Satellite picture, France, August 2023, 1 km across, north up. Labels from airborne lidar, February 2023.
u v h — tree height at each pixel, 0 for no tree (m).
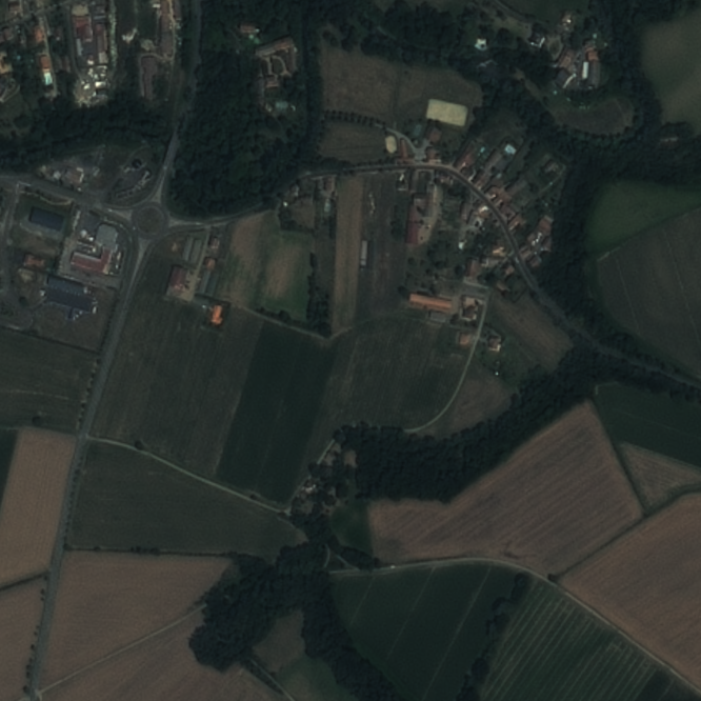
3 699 0
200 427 0
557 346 0
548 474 0
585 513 0
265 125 15
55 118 17
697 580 0
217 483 0
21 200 0
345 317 0
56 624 0
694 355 0
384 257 0
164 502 0
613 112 0
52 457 0
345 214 0
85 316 0
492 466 10
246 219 0
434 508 0
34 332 5
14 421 0
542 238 0
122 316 0
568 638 0
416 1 0
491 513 0
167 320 0
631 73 9
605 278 0
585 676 0
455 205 0
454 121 0
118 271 0
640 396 0
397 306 0
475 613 0
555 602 0
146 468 0
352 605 0
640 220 0
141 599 0
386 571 0
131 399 0
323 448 0
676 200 0
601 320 25
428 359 0
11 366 0
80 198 0
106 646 0
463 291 0
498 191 0
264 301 0
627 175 20
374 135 0
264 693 0
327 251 0
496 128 0
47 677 0
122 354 0
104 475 0
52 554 0
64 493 0
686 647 0
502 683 0
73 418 0
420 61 21
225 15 20
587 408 0
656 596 0
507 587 0
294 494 0
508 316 0
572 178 10
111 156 0
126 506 0
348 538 0
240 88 17
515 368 0
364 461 21
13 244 0
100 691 0
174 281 0
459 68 15
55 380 0
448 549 0
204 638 19
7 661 0
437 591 0
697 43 0
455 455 22
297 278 0
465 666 0
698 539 0
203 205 16
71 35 0
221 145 9
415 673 0
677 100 0
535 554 0
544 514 0
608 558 0
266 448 0
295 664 0
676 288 0
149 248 0
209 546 0
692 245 0
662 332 0
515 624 0
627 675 0
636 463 0
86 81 0
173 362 0
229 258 0
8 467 0
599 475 0
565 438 0
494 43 24
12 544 0
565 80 0
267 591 16
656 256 0
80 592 0
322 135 9
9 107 0
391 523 0
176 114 7
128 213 0
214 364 0
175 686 0
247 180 22
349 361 0
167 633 0
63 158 0
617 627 0
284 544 0
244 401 0
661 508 0
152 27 0
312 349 0
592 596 0
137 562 0
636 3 20
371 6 13
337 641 22
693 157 13
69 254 0
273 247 0
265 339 0
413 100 0
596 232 0
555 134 18
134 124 16
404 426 0
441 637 0
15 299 0
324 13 20
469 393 0
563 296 18
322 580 17
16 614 0
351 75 0
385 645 0
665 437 0
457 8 0
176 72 0
